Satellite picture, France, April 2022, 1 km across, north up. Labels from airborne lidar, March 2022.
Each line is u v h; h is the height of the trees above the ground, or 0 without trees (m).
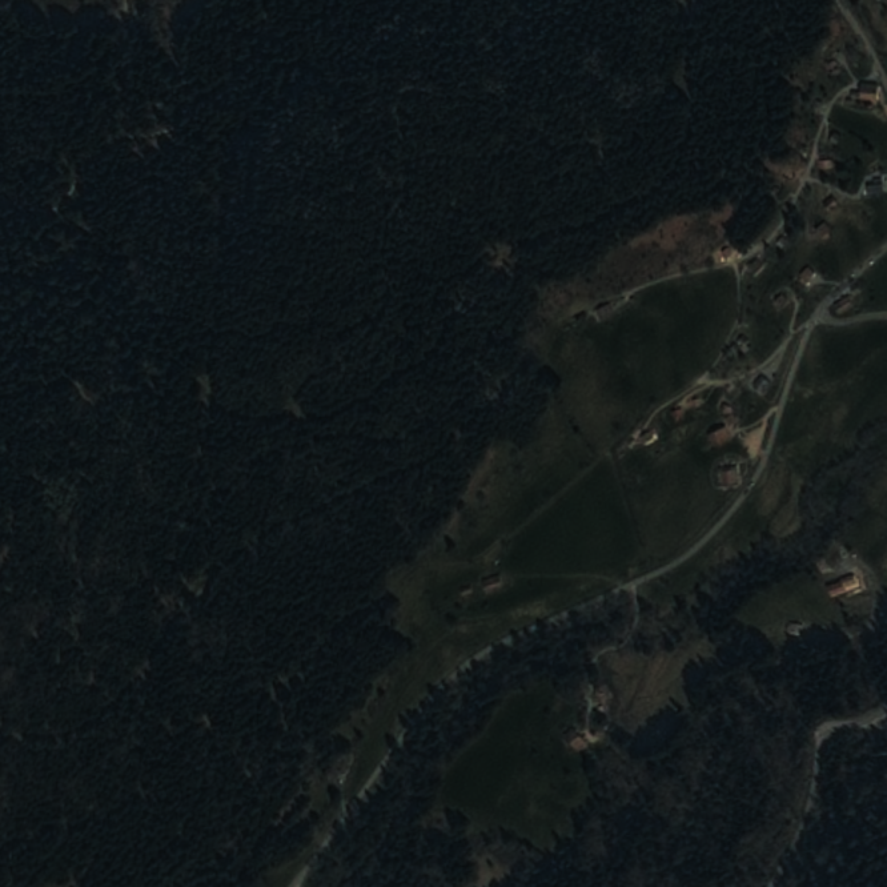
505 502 0
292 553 30
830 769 10
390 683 9
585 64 29
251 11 37
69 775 27
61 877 8
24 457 22
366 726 14
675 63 33
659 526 0
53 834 24
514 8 32
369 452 30
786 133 11
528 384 26
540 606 0
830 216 0
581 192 28
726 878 11
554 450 0
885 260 0
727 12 35
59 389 22
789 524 0
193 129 31
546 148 26
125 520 23
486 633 0
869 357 0
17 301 34
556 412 0
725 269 0
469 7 27
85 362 17
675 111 31
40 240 7
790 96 25
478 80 18
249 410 21
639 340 0
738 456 0
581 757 0
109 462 16
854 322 0
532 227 29
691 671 0
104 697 23
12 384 23
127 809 29
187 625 31
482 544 0
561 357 0
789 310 0
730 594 18
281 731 25
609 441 0
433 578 0
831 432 0
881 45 7
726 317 0
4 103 25
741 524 0
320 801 0
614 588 0
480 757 0
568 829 0
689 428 0
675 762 12
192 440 28
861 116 0
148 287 22
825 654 22
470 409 30
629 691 0
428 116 23
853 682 22
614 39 26
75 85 23
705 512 0
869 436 17
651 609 11
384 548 30
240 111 29
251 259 23
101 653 17
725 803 9
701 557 0
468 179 20
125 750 22
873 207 0
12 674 24
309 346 23
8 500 26
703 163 12
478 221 37
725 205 27
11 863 34
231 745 19
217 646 22
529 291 29
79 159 13
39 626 15
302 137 19
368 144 31
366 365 32
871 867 27
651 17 30
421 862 24
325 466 30
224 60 33
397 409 30
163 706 28
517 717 0
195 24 30
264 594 34
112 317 25
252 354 24
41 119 17
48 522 17
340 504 30
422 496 30
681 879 21
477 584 0
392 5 29
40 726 24
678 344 0
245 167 22
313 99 21
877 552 0
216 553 26
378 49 24
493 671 19
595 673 26
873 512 0
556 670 27
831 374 0
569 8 20
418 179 28
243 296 25
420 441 28
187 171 25
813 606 0
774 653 32
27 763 25
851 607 0
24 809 28
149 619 21
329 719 33
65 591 21
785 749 12
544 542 0
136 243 22
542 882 15
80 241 15
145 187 24
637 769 14
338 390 25
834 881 20
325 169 14
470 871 17
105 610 23
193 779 24
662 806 12
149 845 30
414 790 24
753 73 32
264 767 26
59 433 23
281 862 31
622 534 0
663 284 0
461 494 22
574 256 26
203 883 8
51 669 24
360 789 0
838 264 0
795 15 30
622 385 0
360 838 26
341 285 26
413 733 33
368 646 30
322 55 25
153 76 27
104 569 21
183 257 26
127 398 16
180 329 29
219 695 25
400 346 28
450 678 0
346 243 29
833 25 8
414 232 30
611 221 28
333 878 24
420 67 20
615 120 29
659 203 25
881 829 12
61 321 40
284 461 31
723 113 31
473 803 0
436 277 33
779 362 0
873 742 15
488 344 27
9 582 11
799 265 0
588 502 0
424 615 0
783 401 0
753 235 26
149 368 18
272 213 26
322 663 29
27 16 29
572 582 0
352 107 22
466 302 33
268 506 31
